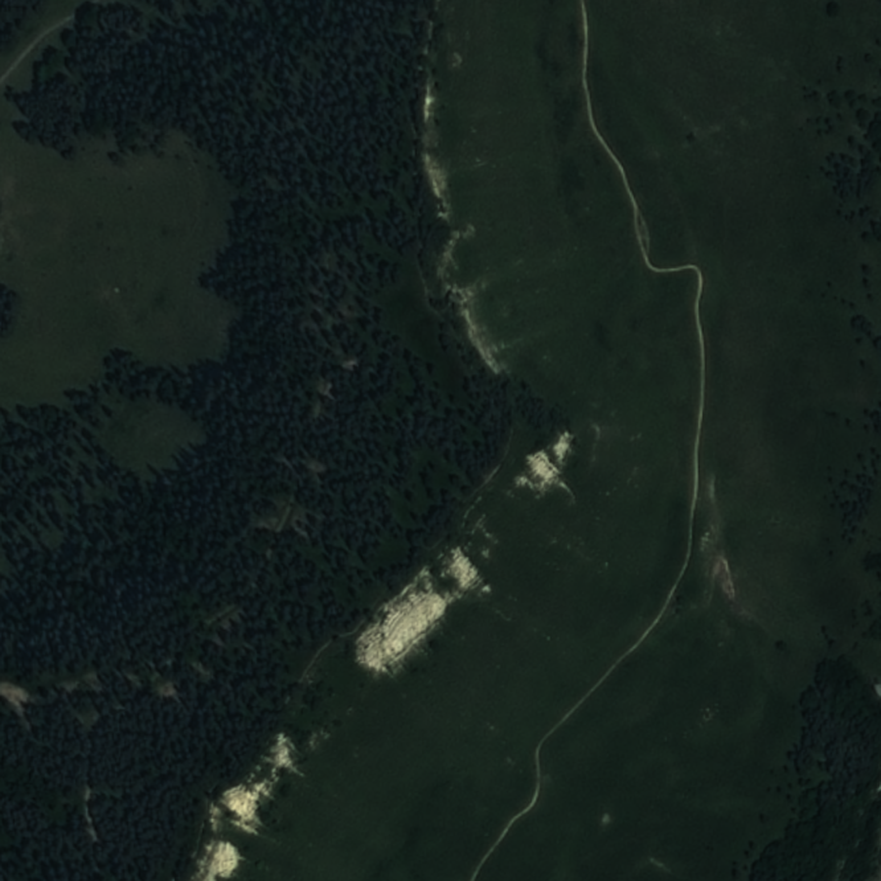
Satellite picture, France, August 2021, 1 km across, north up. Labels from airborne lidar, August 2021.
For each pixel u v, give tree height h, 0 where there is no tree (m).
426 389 23
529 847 0
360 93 22
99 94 16
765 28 0
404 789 0
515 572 0
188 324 0
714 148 0
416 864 0
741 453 0
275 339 7
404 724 0
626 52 0
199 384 9
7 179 0
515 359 0
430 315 0
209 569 20
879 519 0
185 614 8
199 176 0
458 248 0
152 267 0
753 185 0
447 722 0
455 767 0
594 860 0
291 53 10
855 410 0
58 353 0
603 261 0
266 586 20
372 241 0
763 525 0
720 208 0
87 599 18
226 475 11
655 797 0
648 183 0
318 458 25
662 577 0
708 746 0
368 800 0
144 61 17
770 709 0
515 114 0
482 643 0
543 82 0
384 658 0
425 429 24
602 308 0
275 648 8
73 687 0
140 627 13
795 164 0
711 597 0
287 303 11
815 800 7
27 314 0
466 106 0
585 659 0
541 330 0
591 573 0
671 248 0
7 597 0
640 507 0
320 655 0
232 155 27
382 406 20
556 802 0
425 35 13
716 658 0
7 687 0
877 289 0
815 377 0
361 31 21
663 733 0
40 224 0
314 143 24
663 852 0
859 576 0
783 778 0
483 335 0
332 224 11
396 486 23
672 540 0
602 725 0
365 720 0
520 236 0
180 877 15
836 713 20
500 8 0
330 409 9
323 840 0
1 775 13
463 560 0
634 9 0
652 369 0
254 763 14
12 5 26
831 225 0
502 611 0
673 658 0
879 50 0
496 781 0
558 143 0
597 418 0
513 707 0
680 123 0
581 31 0
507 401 11
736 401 0
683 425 0
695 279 0
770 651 0
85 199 0
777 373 0
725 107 0
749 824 0
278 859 0
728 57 0
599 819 0
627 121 0
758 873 15
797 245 0
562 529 0
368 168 23
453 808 0
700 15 0
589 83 0
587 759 0
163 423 0
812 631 0
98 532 11
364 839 0
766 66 0
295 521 0
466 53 0
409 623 0
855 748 18
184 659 24
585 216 0
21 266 0
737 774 0
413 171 14
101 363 0
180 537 18
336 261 0
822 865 21
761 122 0
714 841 0
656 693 0
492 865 0
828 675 14
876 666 0
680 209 0
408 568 10
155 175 0
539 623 0
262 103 12
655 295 0
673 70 0
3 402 0
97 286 0
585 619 0
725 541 0
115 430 0
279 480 23
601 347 0
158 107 14
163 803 20
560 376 0
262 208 11
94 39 12
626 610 0
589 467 0
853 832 17
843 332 0
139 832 23
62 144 23
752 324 0
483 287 0
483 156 0
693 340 0
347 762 0
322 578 10
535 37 0
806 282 0
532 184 0
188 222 0
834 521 0
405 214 19
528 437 0
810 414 0
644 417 0
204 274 0
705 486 0
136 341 0
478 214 0
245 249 15
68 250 0
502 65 0
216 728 23
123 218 0
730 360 0
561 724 0
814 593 0
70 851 23
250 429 13
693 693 0
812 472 0
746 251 0
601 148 0
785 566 0
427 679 0
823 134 9
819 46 0
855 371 0
